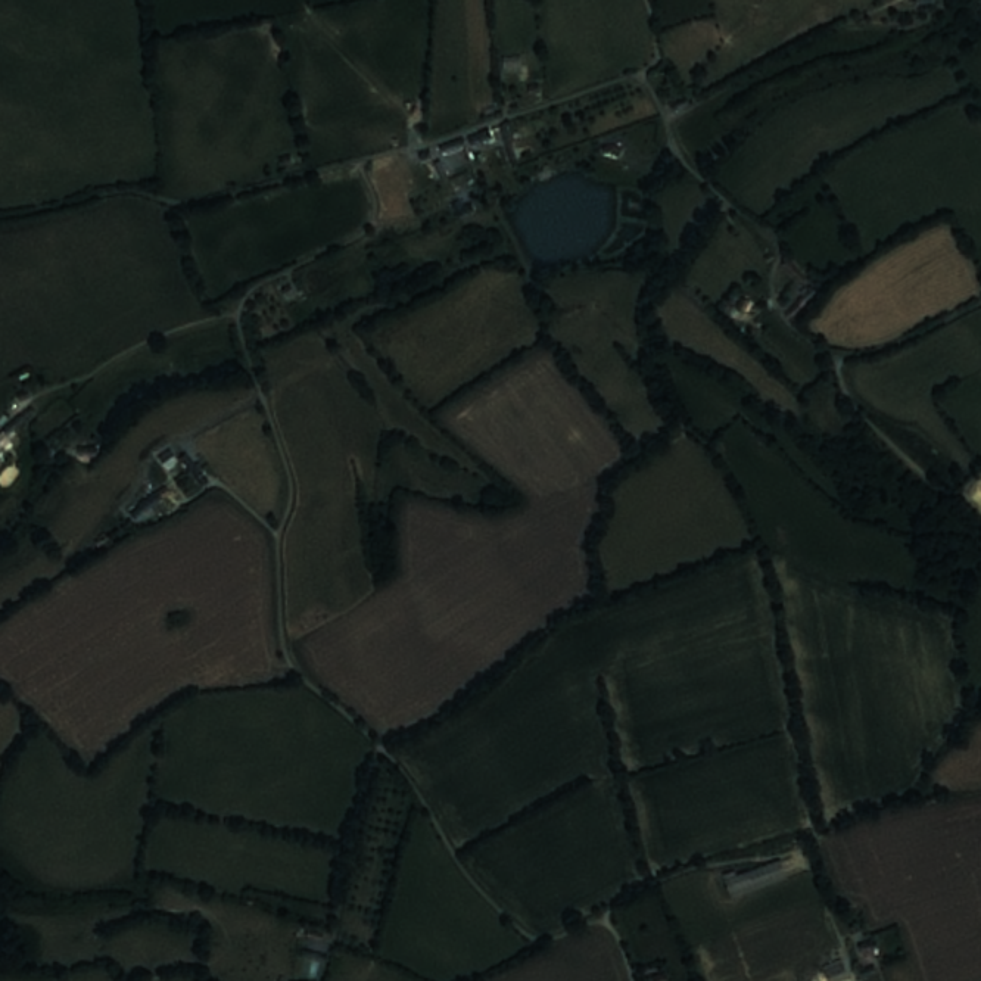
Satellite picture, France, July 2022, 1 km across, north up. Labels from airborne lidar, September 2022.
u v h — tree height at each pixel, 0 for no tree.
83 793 0
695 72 12
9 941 27
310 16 0
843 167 0
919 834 0
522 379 0
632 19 0
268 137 0
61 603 0
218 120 0
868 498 10
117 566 0
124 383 0
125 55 0
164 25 0
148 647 0
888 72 0
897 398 0
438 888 0
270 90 0
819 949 0
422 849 0
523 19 0
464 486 0
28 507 15
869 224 0
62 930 0
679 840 0
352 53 0
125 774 0
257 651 0
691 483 0
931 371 0
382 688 0
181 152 0
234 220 0
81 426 15
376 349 6
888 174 0
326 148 0
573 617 10
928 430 0
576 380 17
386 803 8
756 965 0
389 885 7
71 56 0
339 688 0
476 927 0
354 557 0
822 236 0
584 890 0
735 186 0
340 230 0
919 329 8
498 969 5
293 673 9
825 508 0
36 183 0
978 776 0
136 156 0
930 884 0
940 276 0
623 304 0
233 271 0
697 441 9
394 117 0
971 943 0
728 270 0
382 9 0
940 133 0
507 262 13
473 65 0
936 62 0
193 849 0
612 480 17
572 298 0
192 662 0
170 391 17
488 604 0
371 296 7
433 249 0
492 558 0
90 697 0
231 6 0
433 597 0
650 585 8
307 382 0
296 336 7
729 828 0
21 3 0
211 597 0
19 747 13
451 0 0
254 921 0
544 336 13
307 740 0
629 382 0
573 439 0
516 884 0
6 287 0
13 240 0
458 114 0
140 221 0
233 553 0
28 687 0
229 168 0
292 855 0
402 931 0
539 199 0
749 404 14
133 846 0
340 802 0
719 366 15
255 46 0
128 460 0
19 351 0
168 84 0
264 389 6
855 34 0
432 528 0
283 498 0
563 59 0
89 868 0
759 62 11
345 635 0
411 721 0
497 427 0
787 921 0
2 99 0
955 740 21
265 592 0
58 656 0
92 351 0
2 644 0
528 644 14
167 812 12
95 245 0
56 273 0
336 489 0
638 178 0
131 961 0
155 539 0
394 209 0
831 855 0
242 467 0
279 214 0
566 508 0
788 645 16
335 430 0
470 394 7
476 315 0
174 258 0
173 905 0
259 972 0
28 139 0
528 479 0
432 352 0
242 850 0
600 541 11
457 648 0
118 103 0
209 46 0
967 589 16
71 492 0
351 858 23
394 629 0
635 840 6
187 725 0
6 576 0
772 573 14
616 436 14
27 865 0
